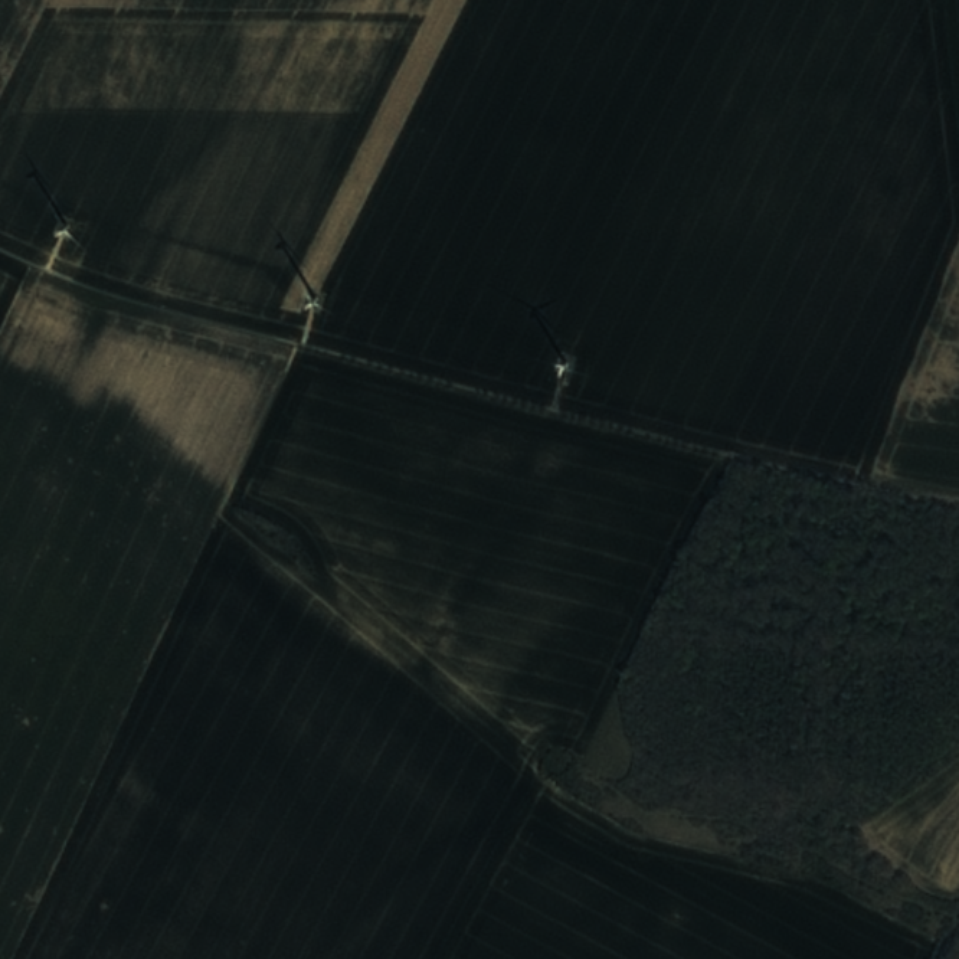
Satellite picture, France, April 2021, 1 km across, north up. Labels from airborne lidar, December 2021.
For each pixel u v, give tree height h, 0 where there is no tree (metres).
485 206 0
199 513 0
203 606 0
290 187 0
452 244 0
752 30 0
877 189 0
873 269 0
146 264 0
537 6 0
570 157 0
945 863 0
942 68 0
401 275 0
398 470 0
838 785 18
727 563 18
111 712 0
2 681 0
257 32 0
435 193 0
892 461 0
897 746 20
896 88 0
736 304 0
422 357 0
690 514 0
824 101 0
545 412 12
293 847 0
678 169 0
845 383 0
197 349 0
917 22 0
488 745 0
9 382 0
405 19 0
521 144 0
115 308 0
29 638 0
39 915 0
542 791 0
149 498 0
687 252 0
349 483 0
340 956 0
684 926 0
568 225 0
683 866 0
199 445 0
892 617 25
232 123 0
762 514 20
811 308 0
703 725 17
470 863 0
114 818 0
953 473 0
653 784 8
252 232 0
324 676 0
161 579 0
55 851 0
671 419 0
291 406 0
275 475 0
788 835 9
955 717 15
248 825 0
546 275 0
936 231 0
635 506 0
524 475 0
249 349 0
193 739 0
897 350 0
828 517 21
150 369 0
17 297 0
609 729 0
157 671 0
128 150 0
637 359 0
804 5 0
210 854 0
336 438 0
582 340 0
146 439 0
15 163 0
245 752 0
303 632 0
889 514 17
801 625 19
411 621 0
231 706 0
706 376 0
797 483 11
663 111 0
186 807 0
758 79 0
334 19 0
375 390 0
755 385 0
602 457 0
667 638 14
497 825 0
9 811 0
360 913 0
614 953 0
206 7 0
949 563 22
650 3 0
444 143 0
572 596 0
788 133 0
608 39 0
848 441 0
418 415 0
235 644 0
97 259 0
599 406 0
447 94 0
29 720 0
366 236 0
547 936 0
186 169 0
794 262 0
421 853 0
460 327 0
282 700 0
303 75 0
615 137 0
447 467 0
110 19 0
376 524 0
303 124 0
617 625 0
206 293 0
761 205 0
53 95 0
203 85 0
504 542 0
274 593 0
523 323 0
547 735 0
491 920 0
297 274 0
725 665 18
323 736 0
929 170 0
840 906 0
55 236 0
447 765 0
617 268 0
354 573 0
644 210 0
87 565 0
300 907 0
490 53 0
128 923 0
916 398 0
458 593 0
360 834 0
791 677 20
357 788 0
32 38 0
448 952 0
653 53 0
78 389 0
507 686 0
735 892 0
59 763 0
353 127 0
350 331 0
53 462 0
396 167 0
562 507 0
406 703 0
